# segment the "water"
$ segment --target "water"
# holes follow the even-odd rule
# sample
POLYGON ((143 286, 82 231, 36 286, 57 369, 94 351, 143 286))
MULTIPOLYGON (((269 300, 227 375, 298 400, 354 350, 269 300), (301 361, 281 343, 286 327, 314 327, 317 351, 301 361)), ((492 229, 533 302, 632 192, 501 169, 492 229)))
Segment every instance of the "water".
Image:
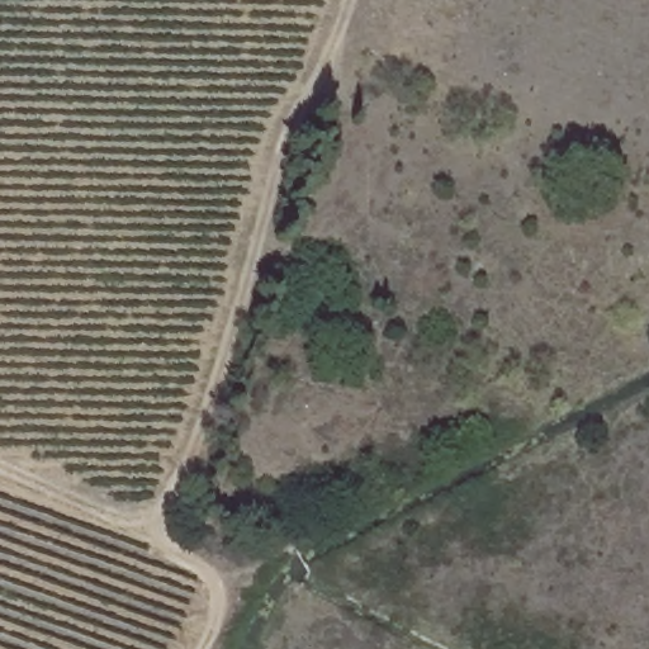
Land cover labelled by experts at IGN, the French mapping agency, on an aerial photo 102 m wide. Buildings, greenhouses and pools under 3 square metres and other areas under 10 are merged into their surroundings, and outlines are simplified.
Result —
POLYGON ((281 598, 284 588, 289 591, 294 583, 302 583, 307 573, 302 558, 294 555, 292 568, 286 573, 279 573, 271 583, 271 601, 281 598))
POLYGON ((266 619, 259 616, 241 649, 261 649, 266 619))
POLYGON ((573 411, 560 421, 543 426, 543 434, 555 439, 560 434, 601 423, 606 411, 649 388, 649 373, 591 401, 586 411, 573 411))
POLYGON ((479 477, 497 474, 502 456, 492 456, 454 477, 454 482, 464 487, 466 482, 474 482, 479 477))

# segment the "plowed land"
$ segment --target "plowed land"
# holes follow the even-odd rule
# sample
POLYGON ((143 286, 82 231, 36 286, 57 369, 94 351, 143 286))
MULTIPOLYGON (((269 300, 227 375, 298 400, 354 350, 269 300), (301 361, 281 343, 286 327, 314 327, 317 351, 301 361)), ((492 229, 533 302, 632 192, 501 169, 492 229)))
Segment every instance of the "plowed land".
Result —
POLYGON ((279 101, 271 106, 269 117, 256 117, 256 124, 264 124, 264 132, 261 139, 254 145, 254 155, 248 162, 248 193, 241 195, 228 254, 223 256, 223 294, 203 294, 203 299, 215 302, 215 309, 213 319, 205 319, 203 332, 195 335, 195 340, 200 342, 200 357, 198 368, 188 370, 193 383, 185 390, 183 421, 152 421, 152 428, 175 431, 172 446, 162 449, 160 454, 162 472, 152 499, 162 507, 167 492, 175 489, 180 477, 180 469, 190 459, 208 456, 203 413, 213 406, 213 401, 213 390, 218 388, 218 383, 226 380, 228 363, 233 355, 236 312, 248 307, 259 261, 264 254, 269 254, 266 238, 274 233, 274 208, 281 183, 284 155, 281 150, 289 132, 286 119, 297 112, 302 101, 312 96, 322 68, 330 66, 342 58, 342 46, 355 10, 350 0, 314 0, 314 18, 307 18, 307 25, 312 25, 314 30, 309 33, 307 51, 302 56, 302 68, 297 71, 294 81, 279 81, 279 86, 284 86, 284 94, 279 94, 279 101))

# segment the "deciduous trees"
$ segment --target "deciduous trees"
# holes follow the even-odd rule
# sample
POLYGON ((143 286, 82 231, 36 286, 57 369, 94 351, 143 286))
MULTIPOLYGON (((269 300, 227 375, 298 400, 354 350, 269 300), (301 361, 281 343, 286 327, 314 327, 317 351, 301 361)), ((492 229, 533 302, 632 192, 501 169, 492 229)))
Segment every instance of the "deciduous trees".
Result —
POLYGON ((598 446, 598 451, 591 459, 591 464, 608 464, 611 454, 629 434, 649 431, 649 416, 639 416, 634 423, 624 423, 621 428, 616 428, 616 434, 603 446, 598 446))
POLYGON ((581 223, 611 213, 616 203, 629 205, 629 195, 636 193, 636 185, 624 183, 629 172, 629 160, 621 162, 619 155, 614 155, 608 147, 591 150, 583 145, 573 145, 550 170, 543 170, 540 175, 530 172, 532 185, 540 188, 540 195, 550 213, 563 223, 581 223))
POLYGON ((292 360, 294 380, 312 373, 312 378, 319 383, 363 388, 383 378, 385 363, 378 360, 375 335, 365 335, 357 322, 322 322, 314 312, 319 304, 335 312, 355 309, 368 314, 373 325, 385 325, 388 319, 398 319, 398 302, 373 299, 373 289, 368 284, 360 281, 360 286, 350 286, 350 274, 330 271, 325 264, 319 264, 312 271, 304 271, 299 266, 286 266, 274 299, 284 309, 284 319, 279 325, 286 337, 269 340, 266 347, 276 357, 292 360))
POLYGON ((451 510, 456 517, 466 522, 469 530, 479 527, 477 537, 482 537, 484 532, 494 530, 499 512, 504 510, 504 487, 499 484, 502 479, 497 474, 479 477, 474 482, 466 482, 464 487, 454 482, 454 477, 492 456, 502 456, 512 444, 525 444, 525 439, 530 436, 530 418, 497 416, 494 423, 466 418, 459 428, 436 428, 423 441, 426 466, 421 474, 408 474, 406 469, 385 469, 383 464, 368 459, 357 449, 357 454, 345 461, 309 464, 284 477, 259 477, 254 474, 251 461, 238 469, 221 469, 215 477, 180 477, 175 489, 167 492, 162 507, 167 535, 183 550, 198 553, 205 560, 223 558, 223 522, 218 520, 218 512, 223 507, 218 507, 213 499, 221 492, 233 494, 248 487, 274 497, 281 510, 281 517, 271 525, 276 545, 297 545, 294 555, 302 558, 307 573, 312 570, 312 575, 325 586, 337 583, 337 578, 347 578, 352 563, 360 560, 352 553, 360 545, 370 543, 370 548, 393 550, 403 530, 413 532, 418 525, 436 525, 434 510, 451 510))
POLYGON ((464 398, 469 388, 482 385, 482 375, 477 375, 474 370, 499 345, 482 335, 489 317, 472 317, 472 330, 479 332, 479 340, 474 342, 461 340, 464 332, 456 330, 454 314, 446 309, 431 309, 418 319, 408 319, 406 327, 385 325, 385 337, 408 340, 406 363, 413 365, 418 375, 444 383, 449 393, 454 393, 454 398, 464 398))

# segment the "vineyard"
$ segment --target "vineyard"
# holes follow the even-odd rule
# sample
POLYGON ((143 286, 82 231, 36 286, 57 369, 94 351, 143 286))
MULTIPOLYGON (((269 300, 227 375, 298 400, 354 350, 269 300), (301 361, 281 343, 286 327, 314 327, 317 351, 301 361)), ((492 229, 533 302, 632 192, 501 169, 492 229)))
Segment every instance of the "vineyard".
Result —
POLYGON ((167 649, 170 639, 175 639, 172 626, 183 626, 190 598, 200 586, 200 578, 193 570, 185 570, 162 558, 152 558, 150 543, 145 540, 63 515, 53 507, 0 489, 0 649, 167 649))
POLYGON ((307 25, 307 18, 314 18, 314 0, 0 0, 0 446, 28 446, 30 456, 41 461, 61 459, 68 474, 79 474, 81 482, 86 482, 89 487, 104 487, 114 502, 152 499, 162 472, 160 454, 162 449, 172 446, 175 431, 152 428, 152 421, 183 421, 185 390, 193 383, 188 370, 198 368, 200 357, 200 342, 195 340, 195 335, 203 332, 205 319, 213 319, 215 309, 215 302, 203 299, 203 294, 223 294, 223 256, 228 254, 241 195, 248 193, 248 162, 254 155, 254 145, 261 139, 264 132, 264 124, 256 124, 256 117, 269 117, 271 106, 279 101, 279 94, 284 94, 284 86, 279 86, 279 81, 294 81, 297 71, 302 68, 302 56, 307 51, 309 33, 314 30, 312 25, 307 25))

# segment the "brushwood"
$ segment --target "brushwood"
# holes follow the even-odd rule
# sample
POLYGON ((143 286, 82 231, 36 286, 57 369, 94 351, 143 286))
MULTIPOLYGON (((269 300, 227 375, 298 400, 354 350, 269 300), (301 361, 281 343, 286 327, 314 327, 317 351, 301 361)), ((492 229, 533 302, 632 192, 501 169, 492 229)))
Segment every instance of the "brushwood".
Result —
POLYGON ((436 86, 434 71, 403 56, 385 56, 368 74, 355 71, 355 84, 363 86, 363 101, 368 96, 390 94, 395 96, 395 101, 406 106, 408 114, 423 114, 426 99, 436 86))
POLYGON ((444 137, 487 139, 497 134, 497 129, 515 129, 517 104, 510 94, 492 91, 492 86, 487 84, 477 91, 451 89, 446 94, 446 112, 439 119, 444 137))

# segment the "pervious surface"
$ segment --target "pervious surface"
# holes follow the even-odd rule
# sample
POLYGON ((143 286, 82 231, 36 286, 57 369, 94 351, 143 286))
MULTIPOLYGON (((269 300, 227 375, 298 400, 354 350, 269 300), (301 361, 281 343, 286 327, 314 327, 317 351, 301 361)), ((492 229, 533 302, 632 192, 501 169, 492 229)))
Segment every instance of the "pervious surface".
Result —
POLYGON ((226 619, 241 606, 241 591, 254 583, 256 570, 261 568, 259 560, 236 565, 233 560, 223 558, 205 560, 198 553, 183 550, 167 535, 162 507, 152 499, 114 502, 104 487, 89 487, 86 482, 81 482, 79 474, 68 474, 61 459, 41 461, 30 456, 28 446, 0 446, 0 489, 53 507, 63 515, 145 540, 150 543, 152 558, 162 558, 185 570, 193 570, 200 578, 200 586, 190 598, 183 626, 172 626, 175 639, 170 639, 167 649, 213 649, 226 619))

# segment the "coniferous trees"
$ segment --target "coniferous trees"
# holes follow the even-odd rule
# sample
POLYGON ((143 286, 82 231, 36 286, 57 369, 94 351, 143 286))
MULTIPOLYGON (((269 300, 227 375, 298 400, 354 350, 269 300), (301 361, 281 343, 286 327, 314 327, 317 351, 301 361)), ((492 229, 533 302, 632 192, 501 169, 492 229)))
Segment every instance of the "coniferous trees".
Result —
POLYGON ((218 520, 223 522, 223 558, 233 560, 236 565, 259 560, 276 545, 271 525, 281 517, 281 510, 274 497, 248 487, 233 494, 221 492, 213 499, 218 507, 223 507, 218 512, 218 520))
POLYGON ((304 218, 314 213, 317 205, 312 195, 314 190, 330 183, 335 162, 340 157, 340 99, 337 81, 330 66, 322 68, 312 96, 302 101, 297 112, 286 119, 289 132, 281 150, 284 155, 281 183, 274 208, 274 233, 279 233, 289 243, 309 236, 304 218))
POLYGON ((236 312, 233 355, 228 363, 226 380, 218 383, 218 388, 213 390, 213 401, 218 406, 226 406, 233 398, 243 395, 243 385, 254 375, 251 355, 256 347, 266 347, 269 340, 286 337, 279 325, 284 319, 284 309, 274 299, 286 266, 299 266, 299 259, 294 259, 292 254, 269 254, 264 254, 259 261, 248 307, 236 312))

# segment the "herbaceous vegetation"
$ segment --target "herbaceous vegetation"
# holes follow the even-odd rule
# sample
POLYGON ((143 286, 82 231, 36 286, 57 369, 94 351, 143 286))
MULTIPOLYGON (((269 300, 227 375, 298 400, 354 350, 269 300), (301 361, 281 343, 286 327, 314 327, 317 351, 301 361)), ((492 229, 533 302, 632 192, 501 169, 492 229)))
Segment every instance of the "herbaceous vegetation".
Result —
POLYGON ((378 360, 385 363, 383 378, 363 388, 319 383, 312 378, 312 373, 294 380, 292 360, 276 357, 266 347, 256 347, 251 355, 254 375, 243 385, 243 395, 233 398, 226 406, 218 406, 213 401, 213 406, 203 413, 208 456, 190 459, 180 469, 180 477, 215 477, 221 469, 238 469, 251 461, 254 474, 259 477, 284 477, 309 464, 345 461, 357 454, 357 449, 368 459, 383 464, 385 469, 406 469, 408 474, 421 474, 426 466, 423 441, 436 428, 459 428, 466 418, 494 423, 497 416, 530 418, 530 436, 525 439, 525 444, 512 444, 502 456, 497 474, 502 479, 499 484, 504 487, 504 510, 499 512, 494 530, 484 532, 482 537, 477 537, 479 527, 469 530, 466 522, 456 517, 451 510, 434 510, 436 525, 418 525, 413 532, 403 530, 393 550, 370 548, 370 543, 360 545, 352 553, 360 560, 352 563, 347 578, 337 578, 337 583, 325 586, 312 575, 312 570, 307 573, 302 583, 294 583, 289 591, 284 588, 281 598, 271 601, 271 583, 279 573, 286 573, 292 568, 294 555, 297 545, 276 545, 259 560, 261 568, 256 570, 254 583, 241 591, 241 606, 226 619, 213 649, 241 649, 259 616, 266 619, 261 649, 649 649, 649 431, 629 434, 611 454, 608 464, 591 464, 591 459, 598 451, 598 446, 603 446, 616 434, 616 428, 621 428, 624 423, 634 423, 639 416, 649 416, 649 388, 606 411, 601 423, 560 434, 555 439, 543 434, 543 426, 560 421, 573 411, 586 411, 591 401, 649 373, 649 0, 350 0, 355 10, 342 46, 342 58, 330 66, 337 81, 340 99, 340 157, 335 162, 330 183, 314 190, 312 195, 317 205, 314 213, 304 218, 309 236, 289 243, 279 233, 274 233, 266 238, 269 254, 292 254, 294 259, 299 259, 299 266, 304 271, 312 271, 319 264, 325 264, 330 271, 350 274, 350 286, 360 286, 360 281, 368 284, 373 289, 373 299, 398 302, 398 319, 388 319, 385 325, 406 327, 408 319, 418 319, 431 309, 446 309, 454 314, 456 330, 464 332, 461 340, 474 342, 479 340, 479 332, 472 330, 472 317, 489 317, 482 335, 499 345, 474 370, 477 375, 482 375, 482 385, 469 388, 464 398, 454 398, 454 393, 449 393, 444 383, 418 375, 413 365, 406 363, 408 340, 385 337, 385 325, 373 325, 368 314, 355 309, 335 312, 319 304, 314 312, 322 322, 357 322, 365 335, 375 335, 378 360), (434 71, 436 86, 426 99, 423 114, 408 114, 406 106, 395 101, 395 96, 390 94, 368 96, 363 101, 363 86, 355 84, 355 71, 368 74, 385 56, 403 56, 434 71), (487 139, 444 137, 439 119, 446 112, 446 94, 451 89, 477 91, 487 84, 492 86, 492 91, 510 94, 517 104, 515 129, 497 129, 497 134, 487 139), (563 223, 550 213, 540 195, 540 188, 532 185, 530 172, 540 175, 543 170, 550 170, 573 145, 583 145, 591 150, 608 147, 614 155, 619 155, 621 162, 629 160, 629 172, 624 183, 636 185, 636 193, 629 195, 629 205, 616 203, 611 213, 581 223, 563 223))

